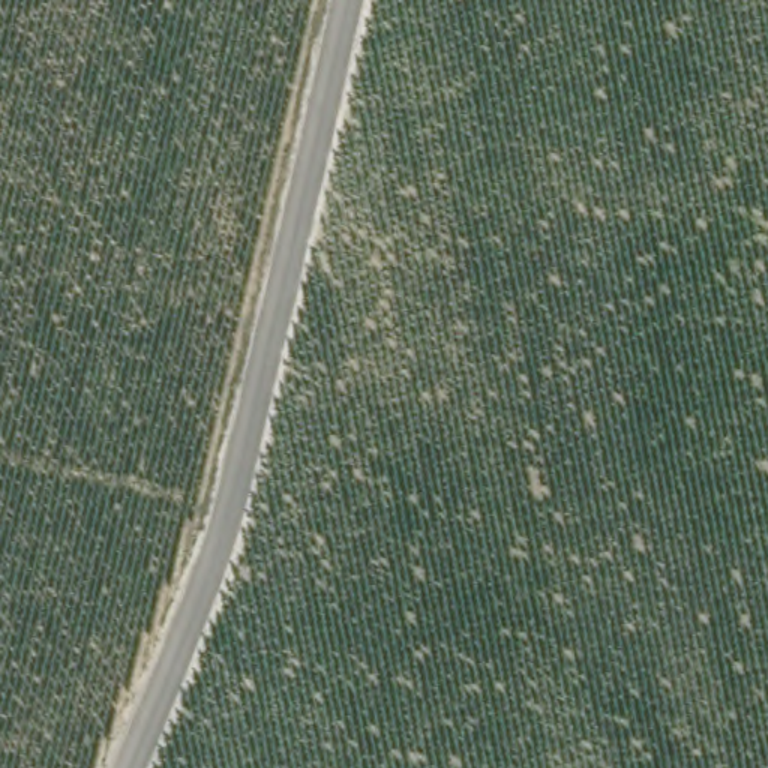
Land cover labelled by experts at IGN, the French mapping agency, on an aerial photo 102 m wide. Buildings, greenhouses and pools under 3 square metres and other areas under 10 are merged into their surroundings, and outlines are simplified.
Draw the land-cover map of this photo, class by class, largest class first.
<instances>
[{"label":"vineyard","instance_id":"1","mask_svg":"<svg viewBox=\"0 0 768 768\"><path fill-rule=\"evenodd\" d=\"M327 12V0H0V768H126L138 744L123 735V726L135 714L138 693L144 690L150 669L162 651L165 630L174 618V606L186 591L189 567L207 537L204 516L210 507L213 480L222 471L228 450V417L249 351V330L261 294V273L270 255L291 144L294 138H300V102L309 78L312 42ZM306 243H312V267L303 288V312L297 321L291 351L279 348L276 357L270 393L279 396V405L273 429L261 426V441L270 444L267 468L252 498V516H240L231 552L225 558L222 576L234 582V591L228 594L222 615L213 624V633L201 654V669L183 696L180 717L168 735V744L156 768H768V0H360L348 66L342 72L339 108L330 129V144L312 210V228L306 234Z\"/></svg>","mask_w":768,"mask_h":768},{"label":"impervious surface","instance_id":"2","mask_svg":"<svg viewBox=\"0 0 768 768\"><path fill-rule=\"evenodd\" d=\"M360 0H327V12L312 42L309 78L300 102V138H294L291 144L270 255L261 273V294L249 330V351L228 417V450L222 471L213 480L210 507L204 516L207 537L189 567L186 591L174 606V618L165 630L162 651L150 669L144 690L138 693L135 714L123 726V735L138 744L126 768H156L168 744V735L180 717L183 696L201 669V654L213 633V624L222 615L228 594L234 591V582L222 576L225 558L231 552L240 516H252V498L267 468L270 444L261 441V426L273 429L279 405V396L270 393L276 357L279 348L291 351L297 321L303 312V288L312 267V243H306V234L312 228V210L330 144V129L339 108L342 72L348 66Z\"/></svg>","mask_w":768,"mask_h":768}]
</instances>
